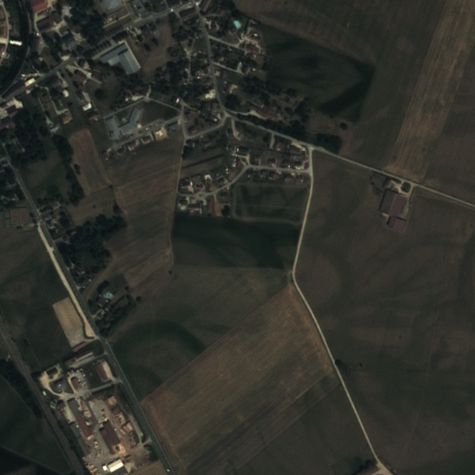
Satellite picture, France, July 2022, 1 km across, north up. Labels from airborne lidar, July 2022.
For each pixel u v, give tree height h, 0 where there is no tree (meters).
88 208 0
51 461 0
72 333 0
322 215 0
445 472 0
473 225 0
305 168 0
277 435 0
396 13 0
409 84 0
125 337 0
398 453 0
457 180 0
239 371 0
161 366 0
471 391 0
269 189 0
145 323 0
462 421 0
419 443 0
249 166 0
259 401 0
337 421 0
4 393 0
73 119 0
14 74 10
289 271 0
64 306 0
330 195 0
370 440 0
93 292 0
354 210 0
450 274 0
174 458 0
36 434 0
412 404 0
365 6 0
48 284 0
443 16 0
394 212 0
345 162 0
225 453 0
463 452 0
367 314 0
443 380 0
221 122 0
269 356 0
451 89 0
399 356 0
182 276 0
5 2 8
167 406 0
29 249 0
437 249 0
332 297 0
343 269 0
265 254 0
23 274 0
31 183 0
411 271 0
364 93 0
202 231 0
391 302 0
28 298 0
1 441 0
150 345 0
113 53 0
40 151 10
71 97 0
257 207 0
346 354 0
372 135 0
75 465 0
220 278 0
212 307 0
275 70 0
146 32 0
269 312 0
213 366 0
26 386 13
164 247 0
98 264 8
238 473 0
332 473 0
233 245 0
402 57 0
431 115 0
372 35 0
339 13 0
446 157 0
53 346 0
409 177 0
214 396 0
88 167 0
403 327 0
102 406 0
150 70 0
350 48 0
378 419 0
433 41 0
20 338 0
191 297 0
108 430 0
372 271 0
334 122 0
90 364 0
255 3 0
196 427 0
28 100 0
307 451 0
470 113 0
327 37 0
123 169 0
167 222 0
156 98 0
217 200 0
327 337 0
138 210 0
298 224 0
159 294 0
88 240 23
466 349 0
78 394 0
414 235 0
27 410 0
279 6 0
